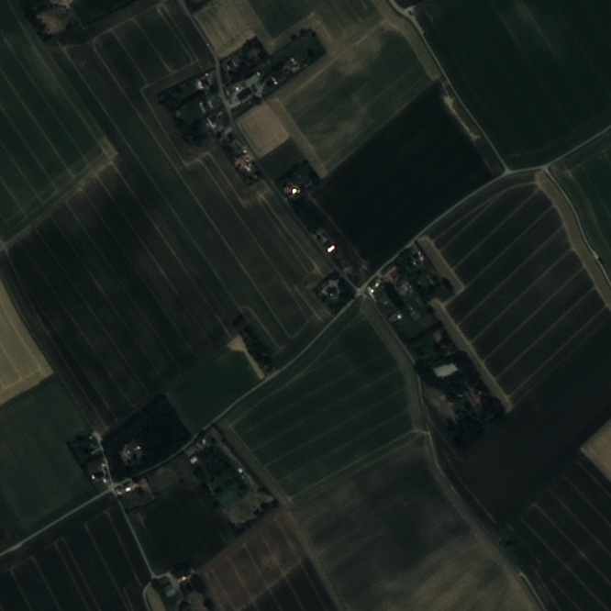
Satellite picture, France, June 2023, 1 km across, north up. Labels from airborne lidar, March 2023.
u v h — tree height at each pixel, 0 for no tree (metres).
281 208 0
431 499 0
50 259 0
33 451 0
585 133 0
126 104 0
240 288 0
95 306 0
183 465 0
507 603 0
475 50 0
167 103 12
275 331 0
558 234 0
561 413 0
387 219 0
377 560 0
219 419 0
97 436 0
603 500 0
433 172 0
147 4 0
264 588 0
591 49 0
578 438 0
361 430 0
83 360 0
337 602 0
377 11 0
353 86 0
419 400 0
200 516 0
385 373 0
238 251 0
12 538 0
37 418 0
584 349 0
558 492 0
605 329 0
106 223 0
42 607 0
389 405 0
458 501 0
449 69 0
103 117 0
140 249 0
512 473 0
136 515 0
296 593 0
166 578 0
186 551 0
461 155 0
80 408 0
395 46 0
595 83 0
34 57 0
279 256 0
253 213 0
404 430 0
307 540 0
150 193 0
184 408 0
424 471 0
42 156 0
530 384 0
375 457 0
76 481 0
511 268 0
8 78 0
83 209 0
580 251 0
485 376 0
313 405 0
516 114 0
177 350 0
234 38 0
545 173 0
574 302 0
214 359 0
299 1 0
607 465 0
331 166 0
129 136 0
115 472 16
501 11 0
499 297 0
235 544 0
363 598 0
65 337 0
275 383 0
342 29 0
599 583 0
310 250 0
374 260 0
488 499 0
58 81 0
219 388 0
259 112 0
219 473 10
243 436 0
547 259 0
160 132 0
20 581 0
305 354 0
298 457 0
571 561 0
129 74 0
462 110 0
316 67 0
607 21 0
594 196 0
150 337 0
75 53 0
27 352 0
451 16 0
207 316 0
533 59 0
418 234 0
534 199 0
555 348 0
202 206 0
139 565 0
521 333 0
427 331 5
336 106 0
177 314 0
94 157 0
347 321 0
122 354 0
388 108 0
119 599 0
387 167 0
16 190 0
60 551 0
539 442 0
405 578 0
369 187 0
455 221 0
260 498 0
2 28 0
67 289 0
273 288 0
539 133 0
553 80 0
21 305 0
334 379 0
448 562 0
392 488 0
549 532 0
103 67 0
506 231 0
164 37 0
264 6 0
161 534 0
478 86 0
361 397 0
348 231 0
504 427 0
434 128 0
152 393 0
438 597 0
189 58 0
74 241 0
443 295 0
